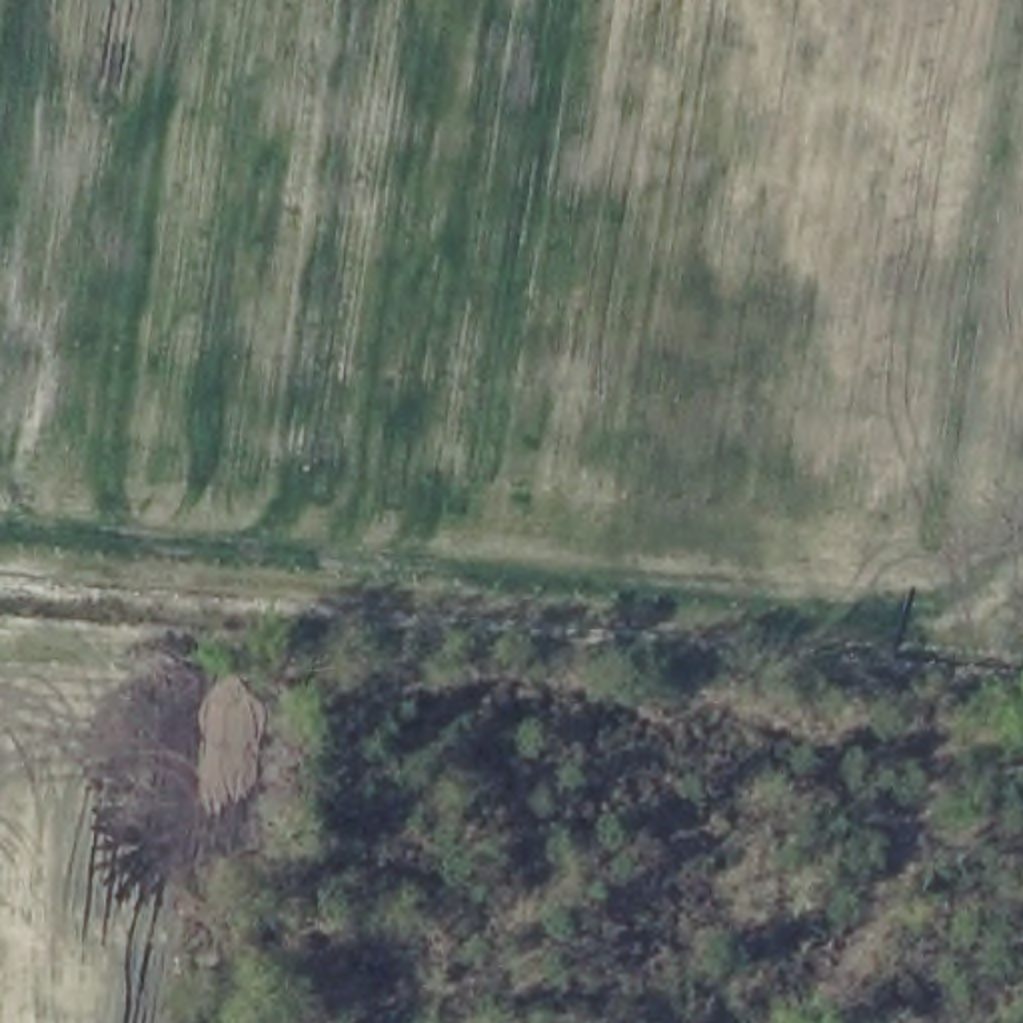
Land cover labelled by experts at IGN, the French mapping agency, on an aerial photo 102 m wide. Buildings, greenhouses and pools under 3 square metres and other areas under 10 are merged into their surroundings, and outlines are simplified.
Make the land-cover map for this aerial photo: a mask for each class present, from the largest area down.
<instances>
[{"label":"agricultural land","instance_id":"1","mask_svg":"<svg viewBox=\"0 0 1023 1023\"><path fill-rule=\"evenodd\" d=\"M1023 559V0H0V591L8 595L20 579H32L88 583L96 587L92 599H120L132 607L168 611H220L228 595L244 599L292 591L308 607L304 615H324L336 627L364 623V603L380 587H396L416 603H436L456 583H472L492 587L500 595H543L547 603H675L671 615L683 631L715 627L735 615H803L831 627H839L843 619H851L855 627H879L899 615L907 623L919 619L927 627L951 603L983 595L1003 563Z\"/></svg>","mask_w":1023,"mask_h":1023},{"label":"brushwood","instance_id":"2","mask_svg":"<svg viewBox=\"0 0 1023 1023\"><path fill-rule=\"evenodd\" d=\"M392 667L344 691L328 703V711L336 735V751L328 755V767L336 771V791L324 799L328 855L312 863L288 859L264 883H248L240 899L256 919L260 947L280 963L296 995L308 991L320 1003V1015L312 1023H751L815 991L803 967L791 959V951L803 939L823 947L835 923L831 915L807 911L743 927L731 915V903L715 891V883L743 855L723 847V839L711 831V815L739 823V791L763 775V767L747 755L751 747L739 731L743 715H735V707H711L707 723L667 727L647 723L643 711L603 703L587 691L535 687L523 691V679L504 671L488 683H460L436 691L428 683V659L444 647V639L432 627H404L400 643H388ZM400 699H416L420 711L376 759L392 775V783L376 799H368L364 739L380 731V715ZM464 711L476 715V731L444 759H436V767L416 787H408L400 779L404 763ZM460 771L472 795L460 843L468 847L476 867L452 887L436 855L424 851L404 831V823L420 799H436L440 787ZM603 815H619L627 827L639 863L631 879L615 871L611 851L599 839ZM575 859H583V879L571 903V935H551L539 923L512 931L496 919L531 891H543ZM344 871H360V883L348 895V927L336 935L324 923L320 891L336 883ZM711 931L751 951V963L739 975L723 971L719 979H711L703 971L699 943ZM927 923L907 955V967L895 979H887L867 1003L843 1007L839 1023H1023V967L1011 963L991 975L971 943L955 939L959 907L943 895L923 899ZM240 987L232 959L216 963L212 971L208 1007L192 1023H220L224 1007L236 999Z\"/></svg>","mask_w":1023,"mask_h":1023},{"label":"herbaceous vegetation","instance_id":"3","mask_svg":"<svg viewBox=\"0 0 1023 1023\"><path fill-rule=\"evenodd\" d=\"M464 611L500 607L508 631H527L535 639V655L543 659V679L535 687L587 691L591 659L623 651L635 639H647L659 647V655L671 659L667 679L675 687L643 711L647 723L667 727L707 723L711 707H735V715H743L739 731L751 747L747 755L763 767V775L739 791V823L711 815V831L723 839V847L743 855L715 883V891L731 903V915L743 927L807 911L831 915L827 883L839 871L835 851L855 843L867 827L887 835L883 867L871 875H855L847 883L859 895V915L835 923L823 947L803 939L791 951V959L803 967L815 991L751 1023H839L843 1007L867 1003L887 979H895L907 967V955L927 923L923 899L943 895L959 907H975L983 915L1015 923L1011 963L1023 967V831H1007L1003 811H987V823L963 819V831L955 839L927 819L931 803L943 791L955 795L959 787H967L963 767L955 759L943 743L955 711L967 703L983 711L1011 707V687H979L975 679H959L947 687L943 675H927L923 655L943 651L963 663L1023 659V587H1015L1003 607L987 611L971 627H951L939 635L927 627L919 619L907 623L899 615L879 627H855L851 619H843L839 627H831L803 615H735L715 627L683 631L671 615L675 603H547L543 595H500L492 587L472 583H456L444 595ZM815 671H823L835 687L847 691L839 719H811V711L799 703L795 679ZM879 699L899 703L907 735L887 739L871 731V707ZM855 751L867 755V771L919 763L927 779L911 799H863L847 787L843 775V763ZM815 795H827L831 807L819 815V835L803 851L807 867L799 875H791L787 867H771V851L791 835L795 815ZM416 603L396 587H380L364 603V623H372L388 643H400L404 627H396V611H408ZM8 615L148 623L152 639L128 643L132 655H156V639L164 635H188L196 647L208 635L224 639L232 675L264 671L272 683L292 691H304L316 707L328 711V703L344 691L324 675V647L332 643L336 627L324 615H296L284 651L260 655L248 651V615L220 611H168L132 607L120 599H92L56 603L36 595H8L0 591V623ZM476 647L468 651L472 663L460 675V683H488L504 671L496 663V651L504 635L484 627L472 631ZM975 751L983 767L995 775L1023 771V747L1015 751L987 743ZM280 835L268 827L260 839H248L240 851L224 855L236 867V879L248 883H264L288 859L276 855ZM583 879V859H575L543 891H531L496 919L512 931L539 923L551 935H571V903ZM208 867H184L176 875V959L184 967L212 971L216 963L232 959L228 939L216 935L208 923Z\"/></svg>","mask_w":1023,"mask_h":1023},{"label":"plowed land","instance_id":"4","mask_svg":"<svg viewBox=\"0 0 1023 1023\"><path fill-rule=\"evenodd\" d=\"M1015 587H1023V559L1003 563L983 595L951 603L927 627L939 635L951 627H971L987 611L1003 607ZM152 639L148 623L8 615L0 623V1023H164V987L172 979L176 959V875L184 867H208L224 855L240 851L248 839H260L268 827L280 807H288L300 795L304 743L284 731L280 715L292 691L272 683L264 671L232 675H208L196 663V647L188 635H164L156 639V655H132L128 643Z\"/></svg>","mask_w":1023,"mask_h":1023},{"label":"coniferous trees","instance_id":"5","mask_svg":"<svg viewBox=\"0 0 1023 1023\"><path fill-rule=\"evenodd\" d=\"M496 663L504 671L523 679V691L535 687L543 679V659L535 655V639L527 631H508L504 635L496 651ZM671 659L659 655V647L647 639H635L623 651L591 659L587 691L603 703L643 711L675 687L667 679ZM799 703L811 711V719H839L847 691L835 687L823 671H815L795 679ZM420 711L416 699H400L380 715V731L364 739L368 799H376L392 783V775L376 759ZM871 731L887 739L907 735L899 703L879 699L871 707ZM476 731V715L464 711L404 763L400 779L408 787H416L436 767V759H444ZM843 775L847 787L863 799H911L927 779L919 763L867 771V755L855 751L843 763ZM963 767L967 787H959L955 795L943 791L931 803L927 819L955 839L963 831V819L987 823V811H1003L1007 831H1023V771L995 775L983 767L975 751H959L955 759ZM472 795L460 771L440 787L436 799H420L404 823V831L424 851L436 855L452 887L476 867L468 847L460 843ZM831 807L827 795H815L795 815L791 835L771 851V867H787L791 875H799L807 867L803 851L819 835V815ZM599 839L611 851L615 871L631 879L639 863L627 827L619 815H603ZM839 871L827 883L831 915L835 923L859 915V895L847 883L855 875H871L883 867L887 835L867 827L855 843L835 851ZM360 883V871H344L336 883L320 891L324 923L336 935L348 927V895ZM955 939L971 943L991 975L1011 963L1015 923L983 915L975 907H959ZM703 971L711 979H719L723 971L739 975L751 963V951L711 931L699 943Z\"/></svg>","mask_w":1023,"mask_h":1023},{"label":"deciduous trees","instance_id":"6","mask_svg":"<svg viewBox=\"0 0 1023 1023\"><path fill-rule=\"evenodd\" d=\"M296 615H248V651L260 655L284 651ZM324 675L344 691L392 667L388 643L372 623H364L336 627L332 643L324 647ZM476 647L472 631H452L444 639V647L428 659V683L436 691L460 683V675L472 663L468 651ZM196 663L208 675H232L224 639L208 635L196 647ZM987 743L1015 751L1023 747V679L1019 687H1011V707L983 711L967 703L955 711L943 743L955 759L959 751H975ZM280 715L284 731L304 743L300 795L288 807H280L268 827L280 835L276 855L288 859L312 863L328 855L324 799L336 791V771L328 767V755L336 751V735L328 711L316 707L304 691H292ZM248 883L236 879V867L224 855L208 867V923L216 935L228 939L232 959L240 987L236 999L224 1007L220 1023H312L320 1015V1003L308 991L296 995L280 963L260 947L256 919L240 899ZM212 971L184 967L176 959L172 979L164 987V1023H192L208 1007Z\"/></svg>","mask_w":1023,"mask_h":1023},{"label":"pervious surface","instance_id":"7","mask_svg":"<svg viewBox=\"0 0 1023 1023\"><path fill-rule=\"evenodd\" d=\"M8 595H36L56 603L92 599L96 587L88 583L32 579H20ZM220 611L248 615H304L308 607L292 591L244 599L228 595ZM396 627H432L444 639L452 631H472L484 627L504 635L508 631L500 607L464 611L444 595L436 603H416L408 611H396ZM927 675H943L947 687L959 679H975L979 687H1019L1023 679V659L963 663L943 651L923 655Z\"/></svg>","mask_w":1023,"mask_h":1023}]
</instances>
